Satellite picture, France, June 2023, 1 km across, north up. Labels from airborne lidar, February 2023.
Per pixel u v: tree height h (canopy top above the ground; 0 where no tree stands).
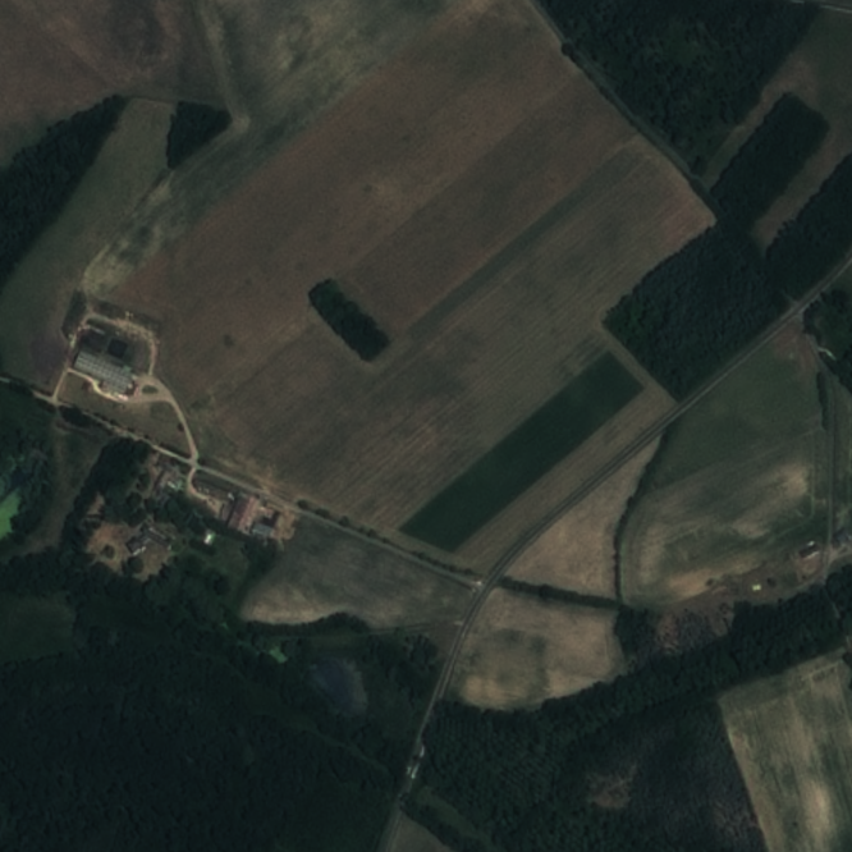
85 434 0
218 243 0
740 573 0
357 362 0
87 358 0
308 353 0
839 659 0
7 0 0
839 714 0
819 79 0
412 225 0
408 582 0
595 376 0
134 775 30
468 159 0
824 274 21
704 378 6
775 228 0
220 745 26
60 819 21
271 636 13
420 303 0
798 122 18
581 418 0
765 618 24
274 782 15
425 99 0
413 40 0
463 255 0
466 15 0
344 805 8
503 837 22
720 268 23
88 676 23
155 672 24
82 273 0
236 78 0
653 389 0
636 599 0
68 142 19
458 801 17
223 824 28
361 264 0
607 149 0
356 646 0
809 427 0
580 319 0
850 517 0
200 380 0
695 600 0
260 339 0
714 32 21
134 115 0
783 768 0
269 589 0
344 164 0
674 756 9
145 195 0
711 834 11
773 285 22
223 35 0
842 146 0
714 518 0
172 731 23
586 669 0
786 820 0
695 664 22
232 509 0
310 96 0
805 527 0
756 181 20
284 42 0
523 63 0
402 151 0
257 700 0
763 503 0
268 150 0
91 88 0
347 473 0
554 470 0
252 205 0
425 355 0
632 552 0
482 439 0
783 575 0
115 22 0
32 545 0
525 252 0
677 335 21
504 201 0
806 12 11
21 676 19
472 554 0
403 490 0
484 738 26
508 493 0
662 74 14
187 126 17
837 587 23
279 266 0
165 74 0
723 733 10
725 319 20
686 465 0
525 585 7
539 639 0
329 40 0
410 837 0
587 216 0
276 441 0
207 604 31
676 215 0
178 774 35
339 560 0
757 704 0
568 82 0
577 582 0
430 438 0
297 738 18
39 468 10
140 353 0
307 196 0
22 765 28
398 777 14
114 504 25
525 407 0
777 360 0
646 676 21
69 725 29
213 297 0
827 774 0
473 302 0
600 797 0
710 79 7
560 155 0
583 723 23
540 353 0
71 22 0
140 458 12
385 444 0
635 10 15
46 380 0
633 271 0
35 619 0
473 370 0
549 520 0
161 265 0
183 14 0
